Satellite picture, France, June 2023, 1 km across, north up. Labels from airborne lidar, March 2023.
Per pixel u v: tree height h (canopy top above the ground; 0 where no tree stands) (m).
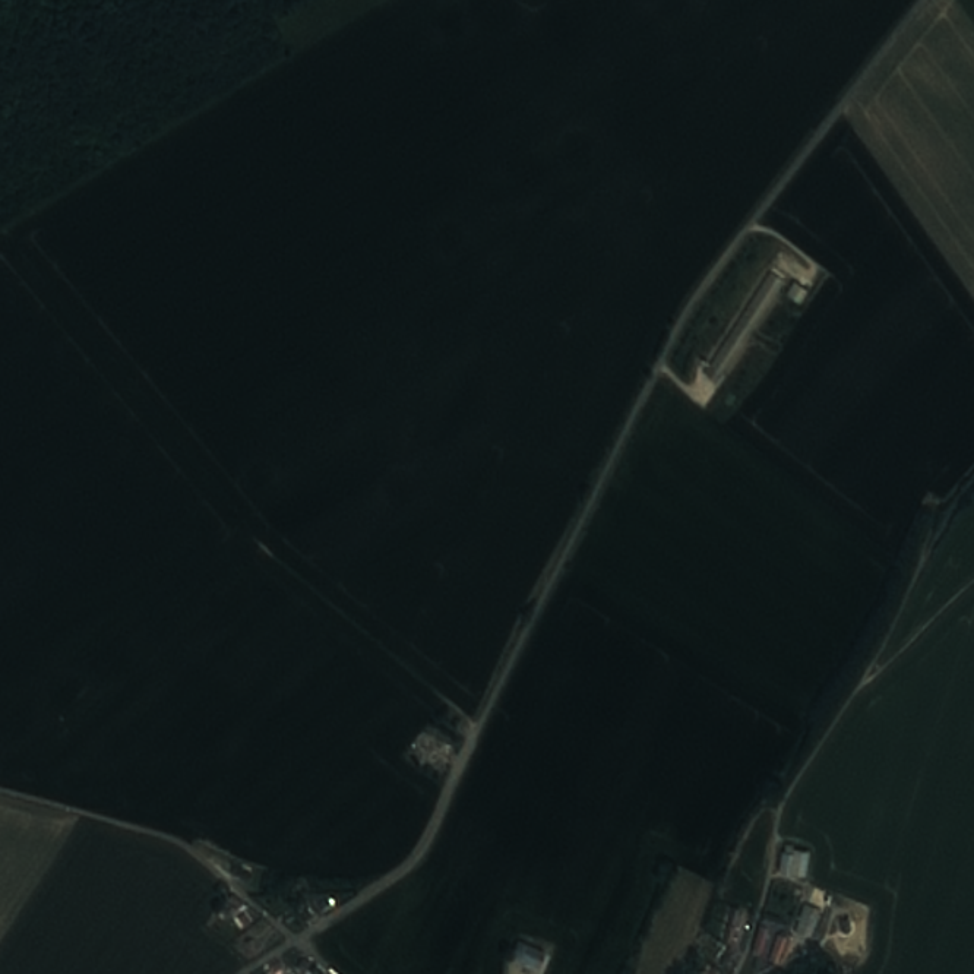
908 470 0
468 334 0
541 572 0
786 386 0
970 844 0
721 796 0
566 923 0
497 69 0
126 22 19
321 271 0
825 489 0
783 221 0
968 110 0
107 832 0
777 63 0
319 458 0
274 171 0
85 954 0
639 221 0
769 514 0
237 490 0
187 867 0
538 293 0
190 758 0
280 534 0
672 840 0
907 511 0
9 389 0
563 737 0
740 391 0
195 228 0
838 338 0
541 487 0
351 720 0
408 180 0
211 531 0
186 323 0
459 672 0
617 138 0
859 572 0
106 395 0
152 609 0
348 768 0
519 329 0
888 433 0
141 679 0
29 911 0
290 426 0
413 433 0
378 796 0
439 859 0
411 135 0
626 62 0
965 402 0
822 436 0
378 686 0
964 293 0
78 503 0
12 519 0
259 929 0
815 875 0
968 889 0
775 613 0
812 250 0
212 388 0
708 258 0
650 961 0
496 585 0
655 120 0
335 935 0
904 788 0
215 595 0
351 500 0
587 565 0
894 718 0
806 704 0
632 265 0
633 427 0
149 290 0
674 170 0
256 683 0
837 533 0
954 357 0
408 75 0
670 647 0
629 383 0
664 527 0
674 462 0
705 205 0
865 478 0
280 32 11
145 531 0
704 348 0
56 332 0
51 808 0
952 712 0
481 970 0
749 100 0
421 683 0
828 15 0
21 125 17
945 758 0
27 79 20
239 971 0
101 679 0
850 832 0
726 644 0
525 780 0
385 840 0
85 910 0
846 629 0
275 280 0
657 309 0
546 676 0
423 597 0
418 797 0
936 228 0
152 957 0
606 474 0
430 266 0
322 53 0
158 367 0
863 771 0
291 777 0
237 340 0
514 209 0
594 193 0
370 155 0
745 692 0
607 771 0
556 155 0
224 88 14
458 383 0
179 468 0
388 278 0
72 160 8
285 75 0
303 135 0
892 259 0
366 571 0
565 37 0
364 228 0
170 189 0
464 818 0
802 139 0
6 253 0
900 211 0
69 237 0
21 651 0
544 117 0
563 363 0
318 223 0
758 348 0
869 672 0
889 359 0
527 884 0
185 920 0
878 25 0
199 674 0
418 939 0
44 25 21
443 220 0
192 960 0
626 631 0
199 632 0
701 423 0
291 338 0
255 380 0
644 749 0
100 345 0
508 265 0
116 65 19
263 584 0
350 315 0
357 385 0
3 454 0
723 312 0
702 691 0
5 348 0
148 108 13
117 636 0
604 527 0
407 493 0
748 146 0
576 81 0
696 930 0
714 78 0
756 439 0
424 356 0
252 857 0
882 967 0
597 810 0
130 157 0
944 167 0
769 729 0
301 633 0
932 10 0
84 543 0
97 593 0
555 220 0
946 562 0
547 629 0
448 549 0
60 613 0
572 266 0
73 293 0
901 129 0
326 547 0
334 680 0
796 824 0
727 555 0
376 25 0
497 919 0
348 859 0
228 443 0
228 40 17
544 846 0
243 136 0
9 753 0
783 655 0
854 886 0
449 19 0
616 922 0
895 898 0
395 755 0
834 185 0
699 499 0
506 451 0
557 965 0
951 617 0
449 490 0
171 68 19
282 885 12
